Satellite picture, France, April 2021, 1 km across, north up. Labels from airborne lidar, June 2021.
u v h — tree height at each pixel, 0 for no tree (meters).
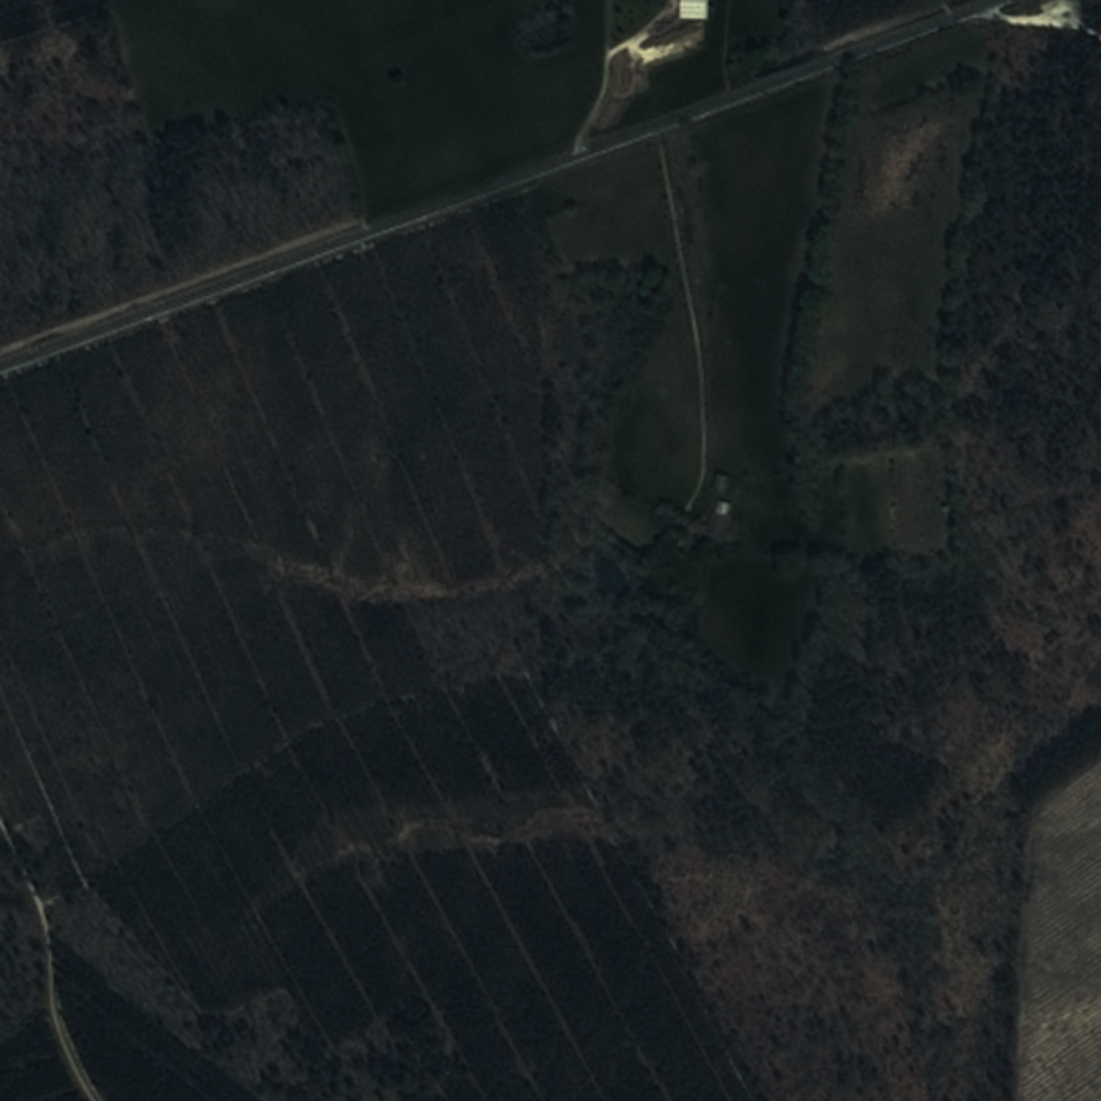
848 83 14
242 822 9
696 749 18
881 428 8
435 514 7
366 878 6
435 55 0
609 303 20
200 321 8
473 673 6
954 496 17
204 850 9
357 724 9
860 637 18
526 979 8
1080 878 0
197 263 16
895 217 0
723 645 0
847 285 0
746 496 0
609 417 8
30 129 8
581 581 21
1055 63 13
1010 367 23
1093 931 0
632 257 0
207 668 7
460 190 0
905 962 10
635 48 0
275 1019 6
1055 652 22
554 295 6
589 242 0
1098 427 8
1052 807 0
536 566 0
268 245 11
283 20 0
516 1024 10
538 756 13
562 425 10
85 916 9
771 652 0
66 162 11
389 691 6
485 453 6
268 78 0
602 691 22
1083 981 0
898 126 0
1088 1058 0
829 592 20
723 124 0
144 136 8
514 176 0
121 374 9
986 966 0
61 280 11
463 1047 10
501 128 0
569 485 19
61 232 13
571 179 0
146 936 7
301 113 7
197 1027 6
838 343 0
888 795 17
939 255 0
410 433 6
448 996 10
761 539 0
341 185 13
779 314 0
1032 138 13
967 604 26
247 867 12
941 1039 11
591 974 10
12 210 13
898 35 0
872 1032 8
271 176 14
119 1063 11
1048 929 0
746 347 0
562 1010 10
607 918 12
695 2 0
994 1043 15
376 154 0
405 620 6
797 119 0
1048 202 12
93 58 23
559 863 10
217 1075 12
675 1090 11
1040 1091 0
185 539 0
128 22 0
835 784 22
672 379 0
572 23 10
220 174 16
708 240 0
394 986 10
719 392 0
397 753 12
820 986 8
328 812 8
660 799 19
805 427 21
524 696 9
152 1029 15
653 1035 9
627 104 0
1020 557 13
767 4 0
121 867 10
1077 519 9
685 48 0
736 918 0
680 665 26
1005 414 23
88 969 16
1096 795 0
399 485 6
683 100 0
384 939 11
